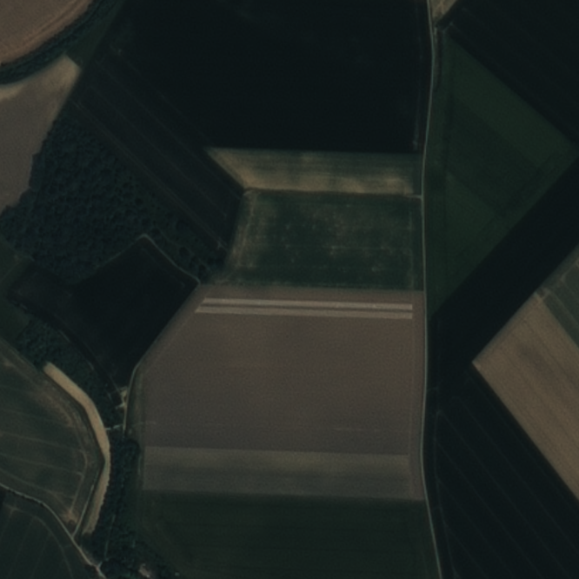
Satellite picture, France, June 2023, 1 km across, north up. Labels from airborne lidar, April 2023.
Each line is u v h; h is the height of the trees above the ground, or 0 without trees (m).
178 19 0
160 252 0
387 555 0
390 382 0
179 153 0
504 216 0
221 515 0
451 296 0
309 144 0
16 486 0
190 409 0
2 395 0
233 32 0
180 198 0
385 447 0
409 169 0
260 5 0
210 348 0
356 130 0
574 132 0
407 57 0
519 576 0
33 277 0
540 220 0
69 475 0
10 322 0
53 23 0
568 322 0
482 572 0
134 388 0
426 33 0
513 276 0
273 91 0
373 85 0
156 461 0
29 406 0
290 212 0
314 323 0
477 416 0
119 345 0
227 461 0
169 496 0
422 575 0
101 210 12
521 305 0
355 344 0
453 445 0
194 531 0
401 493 0
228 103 0
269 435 0
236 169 0
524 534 0
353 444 0
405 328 0
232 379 0
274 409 0
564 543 0
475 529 0
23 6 0
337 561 0
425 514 0
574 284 0
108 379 0
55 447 0
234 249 0
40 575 0
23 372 0
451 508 0
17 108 0
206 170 0
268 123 0
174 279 0
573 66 0
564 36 0
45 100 0
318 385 0
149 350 0
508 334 0
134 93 0
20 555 0
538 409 0
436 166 0
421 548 0
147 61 0
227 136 0
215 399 0
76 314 0
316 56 0
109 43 0
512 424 0
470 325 0
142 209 16
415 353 0
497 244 0
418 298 0
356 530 0
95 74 0
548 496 0
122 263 0
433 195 0
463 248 0
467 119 0
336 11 0
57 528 0
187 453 0
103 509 9
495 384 0
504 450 0
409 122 0
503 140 0
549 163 0
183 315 0
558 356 0
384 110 0
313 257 0
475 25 0
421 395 0
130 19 0
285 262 0
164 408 0
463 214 0
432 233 0
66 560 0
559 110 0
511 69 0
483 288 0
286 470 0
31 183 14
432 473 0
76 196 14
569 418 0
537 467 0
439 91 0
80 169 12
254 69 0
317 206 0
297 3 0
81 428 0
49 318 0
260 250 0
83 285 0
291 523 0
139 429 0
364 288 0
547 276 0
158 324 0
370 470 0
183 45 0
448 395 0
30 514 0
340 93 0
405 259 0
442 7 0
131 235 9
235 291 0
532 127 0
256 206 0
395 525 0
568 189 0
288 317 0
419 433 0
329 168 0
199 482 0
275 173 0
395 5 0
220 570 0
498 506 0
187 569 0
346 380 0
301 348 0
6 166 0
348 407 0
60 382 0
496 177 0
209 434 0
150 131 0
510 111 0
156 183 0
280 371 0
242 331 0
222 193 0
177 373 0
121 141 0
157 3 0
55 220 10
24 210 10
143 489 0
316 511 0
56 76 0
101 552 9
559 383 0
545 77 0
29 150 0
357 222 0
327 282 0
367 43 0
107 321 0
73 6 0
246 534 0
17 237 7
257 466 0
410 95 0
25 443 0
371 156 0
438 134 0
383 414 0
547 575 0
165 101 0
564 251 0
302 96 0
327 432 0
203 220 0
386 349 0
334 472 0
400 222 0
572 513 0
